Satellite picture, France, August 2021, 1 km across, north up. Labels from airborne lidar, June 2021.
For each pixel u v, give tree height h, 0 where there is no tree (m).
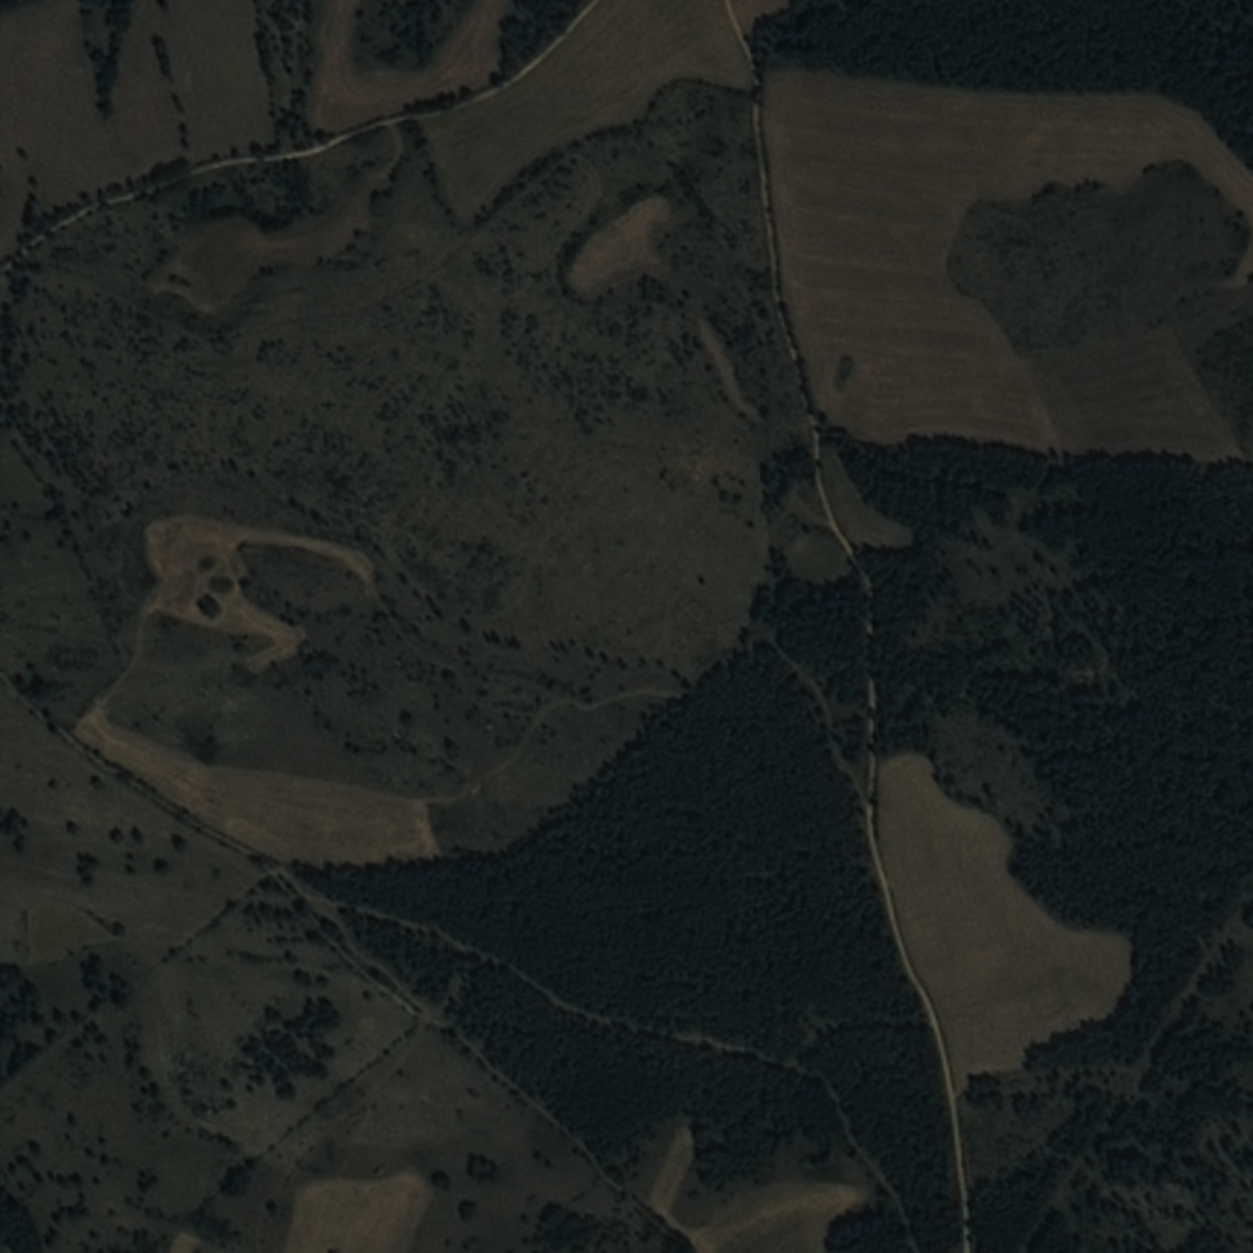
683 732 15
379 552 8
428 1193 0
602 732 0
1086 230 0
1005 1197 12
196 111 0
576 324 0
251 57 0
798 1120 11
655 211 0
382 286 0
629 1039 12
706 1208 0
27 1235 16
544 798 0
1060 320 0
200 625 0
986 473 12
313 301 0
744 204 0
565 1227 8
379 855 0
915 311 0
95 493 6
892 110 0
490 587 0
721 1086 11
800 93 0
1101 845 13
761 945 14
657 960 13
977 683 9
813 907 11
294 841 0
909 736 14
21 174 0
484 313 0
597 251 0
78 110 0
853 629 17
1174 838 13
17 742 0
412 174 0
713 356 0
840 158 0
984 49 18
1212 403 0
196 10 0
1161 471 17
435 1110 0
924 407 0
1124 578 15
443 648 0
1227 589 17
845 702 13
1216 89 17
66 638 0
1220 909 14
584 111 0
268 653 0
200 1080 0
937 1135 13
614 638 0
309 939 11
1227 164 0
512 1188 0
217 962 0
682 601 0
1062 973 0
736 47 0
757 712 15
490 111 0
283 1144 0
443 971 13
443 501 0
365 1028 0
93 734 0
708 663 0
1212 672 16
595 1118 16
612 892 15
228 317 0
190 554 0
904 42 21
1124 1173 15
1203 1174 15
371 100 0
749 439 0
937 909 0
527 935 13
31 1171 10
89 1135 0
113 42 8
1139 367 0
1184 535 12
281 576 0
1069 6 17
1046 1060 15
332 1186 0
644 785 13
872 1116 14
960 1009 0
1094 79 19
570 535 0
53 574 0
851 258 0
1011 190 0
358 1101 0
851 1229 13
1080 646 13
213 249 0
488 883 11
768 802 13
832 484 0
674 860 13
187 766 0
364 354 0
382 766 0
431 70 0
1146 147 0
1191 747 16
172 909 0
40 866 0
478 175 0
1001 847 0
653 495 0
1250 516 14
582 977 14
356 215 0
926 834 0
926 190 0
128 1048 9
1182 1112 12
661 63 0
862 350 0
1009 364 0
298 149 6
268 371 0
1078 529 14
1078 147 0
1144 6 18
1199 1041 8
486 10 0
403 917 10
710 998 14
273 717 0
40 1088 0
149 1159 0
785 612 11
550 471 0
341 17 0
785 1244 0
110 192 8
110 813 0
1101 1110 10
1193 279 0
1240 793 18
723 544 0
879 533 0
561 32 10
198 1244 0
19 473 0
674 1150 0
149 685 0
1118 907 15
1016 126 0
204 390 0
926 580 13
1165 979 14
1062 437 0
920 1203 14
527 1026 13
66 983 0
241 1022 0
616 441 0
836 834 13
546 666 0
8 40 0
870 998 13
